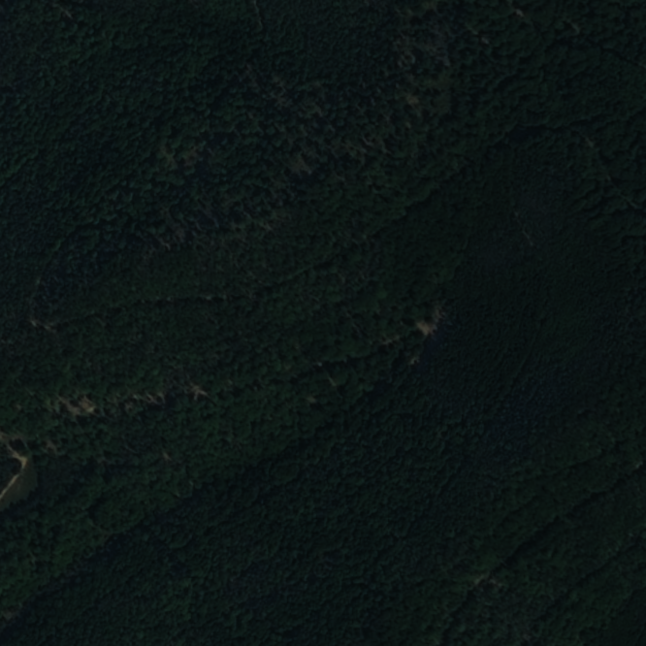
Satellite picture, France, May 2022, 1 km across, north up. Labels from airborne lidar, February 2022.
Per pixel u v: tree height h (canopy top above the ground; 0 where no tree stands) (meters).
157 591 27
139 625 25
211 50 27
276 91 34
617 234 19
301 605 32
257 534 25
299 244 25
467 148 30
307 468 26
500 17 36
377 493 28
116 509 31
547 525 31
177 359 24
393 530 29
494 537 29
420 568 21
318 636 31
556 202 17
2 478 19
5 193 28
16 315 23
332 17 24
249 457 31
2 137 31
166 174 39
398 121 29
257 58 28
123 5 23
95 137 27
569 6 34
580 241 19
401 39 33
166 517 36
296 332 27
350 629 27
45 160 29
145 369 26
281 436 32
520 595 32
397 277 32
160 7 27
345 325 34
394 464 27
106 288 23
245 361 28
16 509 19
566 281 24
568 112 35
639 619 13
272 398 29
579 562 23
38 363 29
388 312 37
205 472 32
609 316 21
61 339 22
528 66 40
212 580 29
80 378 28
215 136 0
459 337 24
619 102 27
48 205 29
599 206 38
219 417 30
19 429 32
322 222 30
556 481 25
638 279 24
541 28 32
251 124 36
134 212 31
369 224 29
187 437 34
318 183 24
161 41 31
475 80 37
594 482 26
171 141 35
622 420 29
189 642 30
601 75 37
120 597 32
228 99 31
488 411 21
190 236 22
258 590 22
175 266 19
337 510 25
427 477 24
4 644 29
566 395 25
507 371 22
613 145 35
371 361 34
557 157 29
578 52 35
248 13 19
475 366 24
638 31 37
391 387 29
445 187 31
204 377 28
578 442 20
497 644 27
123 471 28
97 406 32
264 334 26
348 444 32
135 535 32
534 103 39
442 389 22
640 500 30
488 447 25
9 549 31
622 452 32
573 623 31
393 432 27
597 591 29
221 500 27
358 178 29
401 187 31
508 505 24
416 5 25
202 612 30
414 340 23
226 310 26
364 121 34
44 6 34
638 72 30
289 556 28
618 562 28
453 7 7
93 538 37
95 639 27
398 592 23
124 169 36
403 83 32
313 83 28
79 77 29
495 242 21
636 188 40
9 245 28
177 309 24
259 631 30
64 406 33
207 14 24
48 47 28
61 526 30
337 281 29
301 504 28
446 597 28
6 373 24
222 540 29
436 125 24
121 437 28
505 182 25
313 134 33
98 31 33
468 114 37
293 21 20
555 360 17
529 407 30
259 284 22
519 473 20
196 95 32
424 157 29
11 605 28
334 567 27
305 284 27
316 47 23
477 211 26
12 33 26
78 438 31
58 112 30
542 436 18
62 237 27
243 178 27
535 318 22
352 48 25
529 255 19
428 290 27
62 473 15
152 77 31
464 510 22
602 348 21
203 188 30
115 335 25
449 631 28
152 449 31
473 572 26
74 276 25
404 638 30
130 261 17
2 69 26
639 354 21
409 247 31
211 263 21
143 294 17
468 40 34
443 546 19
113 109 29
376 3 24
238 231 11
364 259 27
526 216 16
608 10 35
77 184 31
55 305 17
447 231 31
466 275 23
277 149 30
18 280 23
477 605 27
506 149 33
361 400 31
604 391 22
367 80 28
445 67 30
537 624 26
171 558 29
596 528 26
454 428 24
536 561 32
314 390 30
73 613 26
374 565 28
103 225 31
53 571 29
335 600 27
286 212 25
